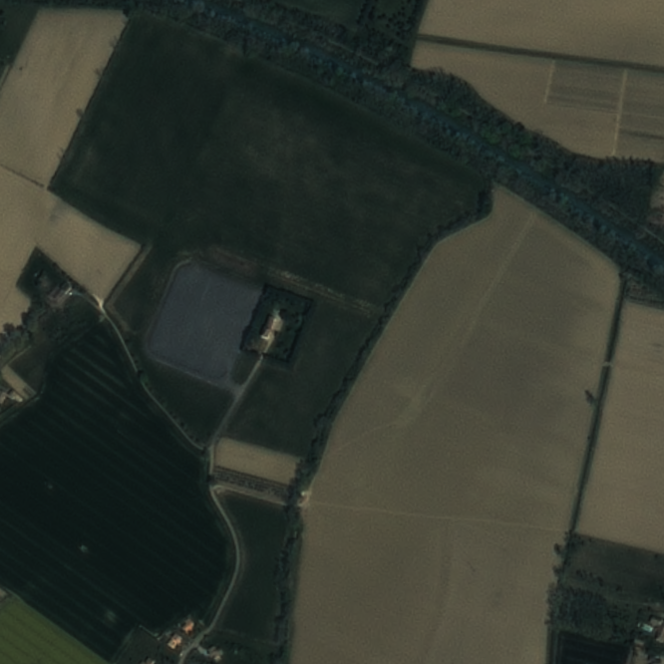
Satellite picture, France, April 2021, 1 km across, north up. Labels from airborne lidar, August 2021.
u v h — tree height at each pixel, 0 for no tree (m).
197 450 0
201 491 0
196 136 0
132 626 0
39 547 0
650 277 12
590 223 19
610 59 0
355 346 0
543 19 0
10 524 0
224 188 0
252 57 20
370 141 0
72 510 0
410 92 17
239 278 0
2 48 0
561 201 22
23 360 0
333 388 0
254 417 0
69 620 0
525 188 18
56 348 0
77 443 0
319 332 0
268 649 0
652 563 0
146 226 0
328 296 0
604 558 0
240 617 0
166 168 0
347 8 0
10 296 0
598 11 0
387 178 0
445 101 13
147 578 0
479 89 0
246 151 0
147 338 0
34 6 0
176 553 0
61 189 0
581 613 27
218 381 0
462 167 0
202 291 0
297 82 0
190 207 0
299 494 17
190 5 10
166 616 0
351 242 0
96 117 0
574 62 0
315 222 0
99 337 0
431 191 0
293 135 0
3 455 0
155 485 0
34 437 0
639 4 0
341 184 0
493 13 0
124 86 0
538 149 17
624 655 0
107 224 0
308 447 0
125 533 0
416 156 0
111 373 0
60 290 0
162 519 0
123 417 0
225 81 0
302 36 6
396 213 0
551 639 0
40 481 0
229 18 15
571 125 0
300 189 0
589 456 0
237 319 0
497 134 16
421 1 9
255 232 0
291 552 16
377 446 0
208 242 0
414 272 10
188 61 0
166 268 0
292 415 0
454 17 0
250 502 0
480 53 0
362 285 0
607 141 0
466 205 0
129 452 0
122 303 0
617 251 13
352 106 0
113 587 0
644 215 20
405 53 9
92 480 0
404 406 0
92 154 0
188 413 0
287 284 0
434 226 0
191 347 0
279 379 0
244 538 0
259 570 0
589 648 0
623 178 15
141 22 0
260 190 0
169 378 0
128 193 0
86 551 0
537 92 0
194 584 0
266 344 0
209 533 0
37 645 0
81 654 0
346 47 24
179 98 0
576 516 0
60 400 0
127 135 0
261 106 0
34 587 0
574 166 14
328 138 0
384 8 0
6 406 0
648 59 0
